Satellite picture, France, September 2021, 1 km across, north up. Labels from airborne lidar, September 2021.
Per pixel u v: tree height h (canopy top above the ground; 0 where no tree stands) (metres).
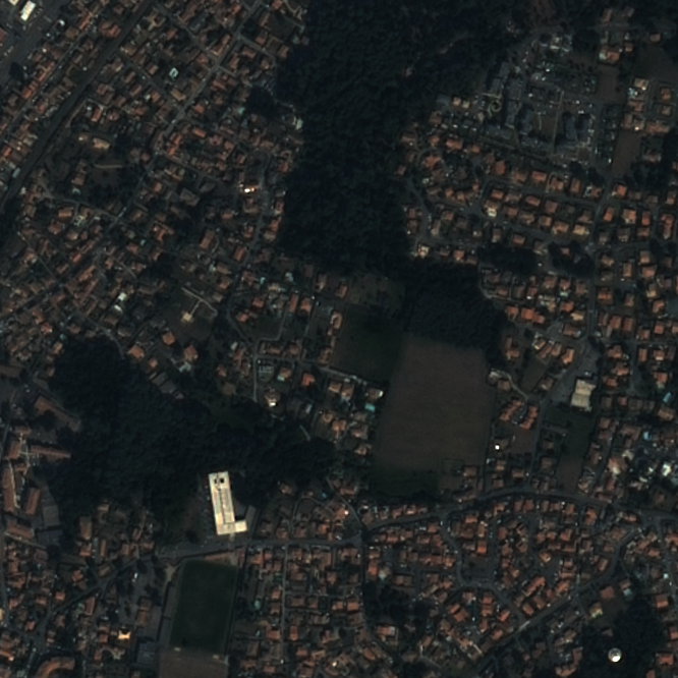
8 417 13
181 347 12
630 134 0
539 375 0
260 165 8
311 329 0
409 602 8
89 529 0
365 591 12
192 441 26
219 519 0
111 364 19
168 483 16
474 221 12
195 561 0
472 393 0
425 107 19
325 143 26
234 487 17
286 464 21
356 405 7
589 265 17
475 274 16
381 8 15
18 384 10
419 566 0
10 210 14
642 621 16
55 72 0
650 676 0
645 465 10
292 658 6
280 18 13
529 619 6
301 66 23
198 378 10
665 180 15
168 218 6
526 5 13
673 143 14
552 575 0
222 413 0
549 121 0
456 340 14
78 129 17
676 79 0
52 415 16
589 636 15
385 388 7
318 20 25
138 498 0
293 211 12
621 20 0
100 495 8
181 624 0
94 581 10
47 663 0
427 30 12
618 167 0
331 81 25
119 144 11
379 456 0
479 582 0
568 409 9
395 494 0
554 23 11
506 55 8
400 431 0
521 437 0
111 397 11
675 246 9
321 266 12
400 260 15
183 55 0
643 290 13
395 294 0
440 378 0
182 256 0
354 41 26
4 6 0
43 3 0
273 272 6
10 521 0
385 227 25
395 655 6
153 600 11
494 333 19
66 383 10
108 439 18
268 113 16
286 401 9
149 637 0
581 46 14
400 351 0
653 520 0
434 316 15
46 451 0
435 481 0
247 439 18
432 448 0
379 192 19
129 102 6
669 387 6
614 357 8
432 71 22
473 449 0
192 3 0
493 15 0
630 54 7
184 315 0
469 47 20
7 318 0
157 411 32
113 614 9
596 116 0
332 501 0
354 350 0
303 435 12
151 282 0
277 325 0
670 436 0
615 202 0
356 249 21
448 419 0
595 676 21
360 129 23
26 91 0
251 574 7
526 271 19
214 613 0
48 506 0
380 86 11
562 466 0
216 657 0
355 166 24
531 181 0
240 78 6
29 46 0
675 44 13
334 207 15
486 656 11
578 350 0
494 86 0
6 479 0
